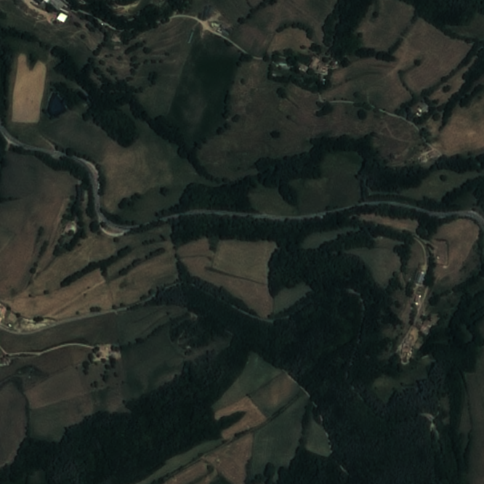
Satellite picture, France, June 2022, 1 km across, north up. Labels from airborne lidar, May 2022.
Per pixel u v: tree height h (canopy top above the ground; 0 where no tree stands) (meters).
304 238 9
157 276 0
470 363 15
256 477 11
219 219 11
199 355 0
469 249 0
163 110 0
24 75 0
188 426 22
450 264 0
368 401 20
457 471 10
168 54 8
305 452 6
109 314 0
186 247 0
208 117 0
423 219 19
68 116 0
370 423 21
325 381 18
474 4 15
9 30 12
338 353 18
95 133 0
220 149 0
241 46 0
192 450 0
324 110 15
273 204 0
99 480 9
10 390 0
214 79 0
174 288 12
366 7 18
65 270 0
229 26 0
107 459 10
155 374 0
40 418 0
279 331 18
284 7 0
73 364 0
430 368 6
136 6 0
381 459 22
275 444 0
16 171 0
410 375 0
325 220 16
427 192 0
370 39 0
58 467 16
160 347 0
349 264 18
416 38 0
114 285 0
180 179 0
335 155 0
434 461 17
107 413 11
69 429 12
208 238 12
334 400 16
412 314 9
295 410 0
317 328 16
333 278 20
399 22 0
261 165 19
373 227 12
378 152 6
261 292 0
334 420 16
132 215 0
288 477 11
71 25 0
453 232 0
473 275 6
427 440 15
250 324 21
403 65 0
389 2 0
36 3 0
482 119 0
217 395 7
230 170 0
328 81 13
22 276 0
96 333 0
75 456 19
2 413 0
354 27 18
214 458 0
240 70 0
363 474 17
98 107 19
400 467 19
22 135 0
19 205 0
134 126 14
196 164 18
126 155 0
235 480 0
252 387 0
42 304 0
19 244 0
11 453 0
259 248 0
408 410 20
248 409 0
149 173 0
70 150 18
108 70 10
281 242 21
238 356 9
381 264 0
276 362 15
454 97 13
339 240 13
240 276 0
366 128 0
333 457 12
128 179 0
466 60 14
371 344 16
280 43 0
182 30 0
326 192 0
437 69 0
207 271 0
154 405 10
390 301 15
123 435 17
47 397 0
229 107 12
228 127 16
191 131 0
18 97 0
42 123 0
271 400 0
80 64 0
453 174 0
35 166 0
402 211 18
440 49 0
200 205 17
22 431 0
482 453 0
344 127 0
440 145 0
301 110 0
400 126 0
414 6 12
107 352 0
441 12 20
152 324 0
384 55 13
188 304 14
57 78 0
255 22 0
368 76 0
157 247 0
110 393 0
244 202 24
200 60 0
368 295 16
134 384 0
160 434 11
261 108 0
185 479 0
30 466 16
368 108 11
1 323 0
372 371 17
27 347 0
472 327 17
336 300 16
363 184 15
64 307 0
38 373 0
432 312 0
